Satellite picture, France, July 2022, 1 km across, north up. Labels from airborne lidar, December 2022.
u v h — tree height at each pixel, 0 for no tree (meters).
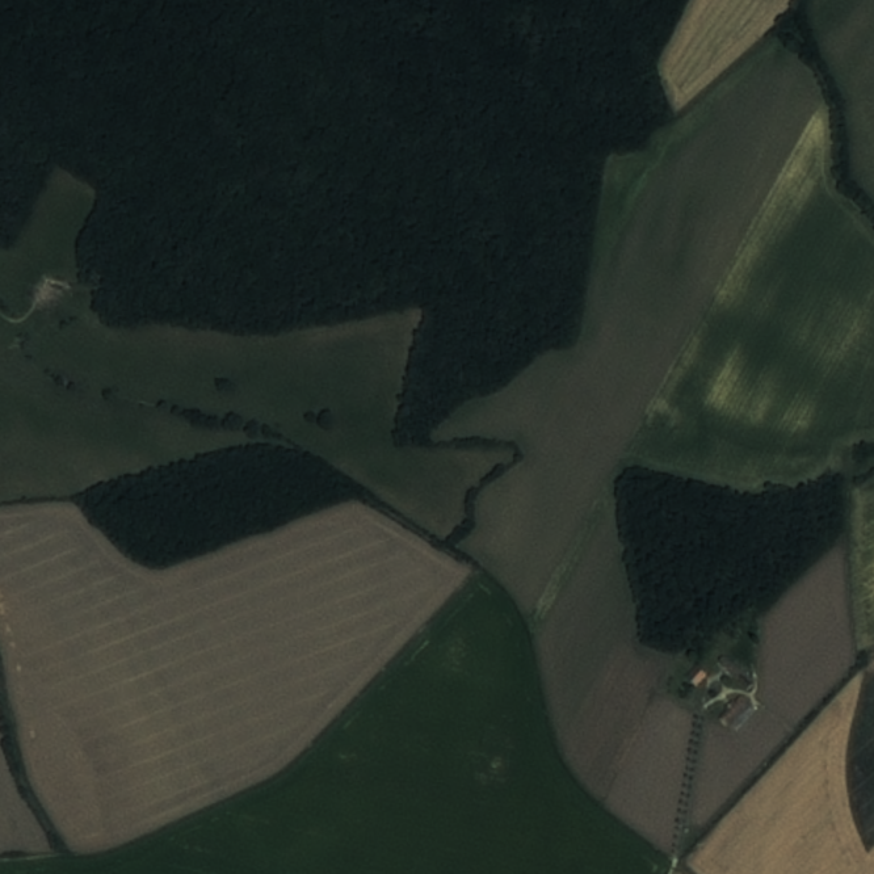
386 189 21
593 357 0
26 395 0
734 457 0
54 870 0
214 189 18
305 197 19
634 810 0
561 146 20
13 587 0
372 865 0
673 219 0
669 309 0
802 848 0
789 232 0
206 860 0
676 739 0
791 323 0
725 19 0
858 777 0
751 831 0
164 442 0
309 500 13
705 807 0
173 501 17
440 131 19
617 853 0
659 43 11
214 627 0
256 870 0
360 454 0
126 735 0
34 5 19
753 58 0
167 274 20
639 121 16
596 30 17
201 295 18
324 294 16
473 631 0
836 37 0
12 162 19
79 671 0
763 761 0
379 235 20
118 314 12
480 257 20
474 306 20
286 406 0
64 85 20
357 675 0
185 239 16
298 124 18
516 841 0
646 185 0
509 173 21
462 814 0
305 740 0
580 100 20
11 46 19
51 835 7
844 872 0
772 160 0
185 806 0
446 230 22
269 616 0
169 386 0
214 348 0
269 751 0
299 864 0
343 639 0
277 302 20
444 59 23
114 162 19
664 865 0
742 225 0
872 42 0
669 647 13
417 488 0
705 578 23
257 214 24
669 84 0
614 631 0
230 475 18
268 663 0
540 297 14
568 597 0
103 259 16
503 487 0
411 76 23
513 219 20
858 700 0
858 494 0
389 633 0
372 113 18
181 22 21
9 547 0
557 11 17
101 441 0
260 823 0
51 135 20
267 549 0
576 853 0
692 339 0
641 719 0
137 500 18
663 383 0
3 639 0
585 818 0
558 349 10
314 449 0
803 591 0
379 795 0
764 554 18
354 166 21
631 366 0
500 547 0
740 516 20
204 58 16
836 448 0
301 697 0
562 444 0
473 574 0
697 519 22
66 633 0
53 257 0
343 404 0
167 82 20
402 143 18
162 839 0
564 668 0
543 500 0
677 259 0
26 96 20
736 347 0
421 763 0
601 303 0
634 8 11
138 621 0
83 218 0
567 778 0
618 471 0
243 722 0
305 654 0
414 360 12
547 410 0
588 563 0
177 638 0
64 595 0
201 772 0
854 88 0
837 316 0
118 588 0
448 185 21
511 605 0
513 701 0
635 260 0
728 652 0
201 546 13
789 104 0
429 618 0
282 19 21
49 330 0
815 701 0
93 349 0
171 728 0
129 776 0
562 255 18
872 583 0
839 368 0
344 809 0
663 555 19
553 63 19
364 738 0
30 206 16
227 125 21
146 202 21
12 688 0
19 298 0
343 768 0
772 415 0
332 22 19
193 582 0
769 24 0
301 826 0
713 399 0
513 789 0
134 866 0
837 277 0
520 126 20
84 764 0
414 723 0
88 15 19
